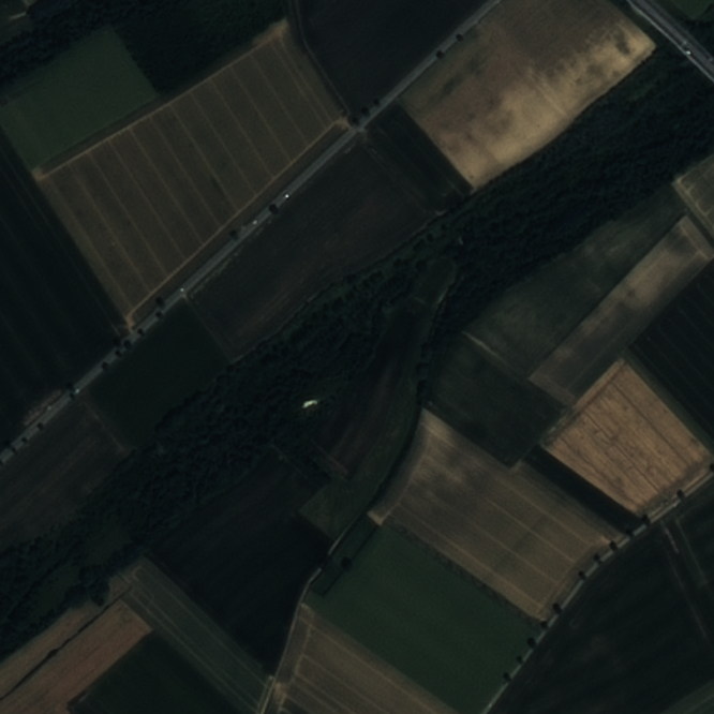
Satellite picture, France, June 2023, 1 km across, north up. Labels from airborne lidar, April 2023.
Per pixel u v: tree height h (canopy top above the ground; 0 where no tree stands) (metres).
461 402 0
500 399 0
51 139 0
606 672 0
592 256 0
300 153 0
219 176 0
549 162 9
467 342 0
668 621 0
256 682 0
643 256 0
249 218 0
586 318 0
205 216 0
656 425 0
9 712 0
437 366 0
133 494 19
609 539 0
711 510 0
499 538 0
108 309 0
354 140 0
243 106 0
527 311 0
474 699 0
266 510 0
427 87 0
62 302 0
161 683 0
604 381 0
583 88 0
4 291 0
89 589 16
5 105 0
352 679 0
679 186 0
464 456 0
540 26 0
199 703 0
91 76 0
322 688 0
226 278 0
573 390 0
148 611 0
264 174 0
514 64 0
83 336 0
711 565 0
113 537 0
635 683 0
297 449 12
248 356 9
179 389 0
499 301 0
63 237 0
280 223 0
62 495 0
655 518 0
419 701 0
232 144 0
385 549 0
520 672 0
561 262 0
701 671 0
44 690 0
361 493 0
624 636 0
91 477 0
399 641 0
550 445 0
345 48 0
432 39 0
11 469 0
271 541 0
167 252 0
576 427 0
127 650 0
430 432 0
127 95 0
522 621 0
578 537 0
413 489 0
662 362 0
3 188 0
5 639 11
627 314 0
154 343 0
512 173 10
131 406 0
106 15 12
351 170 0
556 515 0
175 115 0
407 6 0
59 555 9
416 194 0
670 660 0
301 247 0
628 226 0
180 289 0
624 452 0
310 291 0
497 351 0
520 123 0
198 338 0
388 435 0
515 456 0
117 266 0
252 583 0
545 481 0
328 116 0
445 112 0
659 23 0
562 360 0
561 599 0
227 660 0
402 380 0
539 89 0
